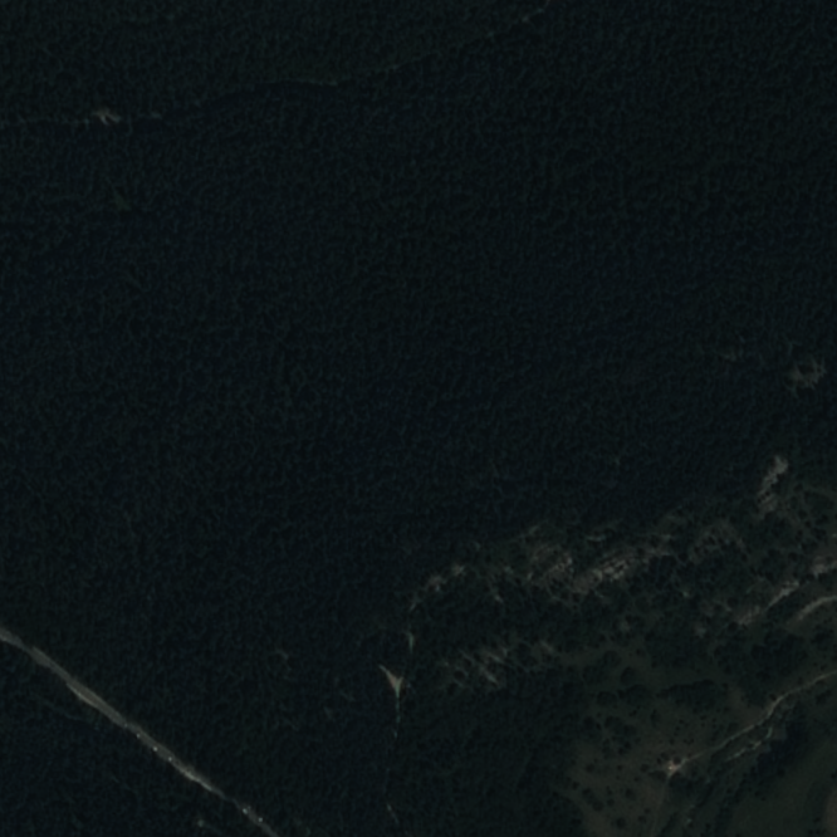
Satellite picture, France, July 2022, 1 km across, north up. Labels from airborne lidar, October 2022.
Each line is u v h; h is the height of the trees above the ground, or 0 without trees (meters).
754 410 17
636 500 19
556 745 7
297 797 16
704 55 19
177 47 15
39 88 20
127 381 25
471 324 23
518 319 20
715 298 18
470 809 7
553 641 7
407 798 9
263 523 7
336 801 23
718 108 18
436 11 9
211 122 23
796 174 18
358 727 18
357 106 11
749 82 17
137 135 16
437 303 24
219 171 26
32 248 35
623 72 16
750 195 26
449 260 11
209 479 10
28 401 26
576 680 6
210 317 18
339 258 18
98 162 26
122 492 20
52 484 14
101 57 19
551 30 18
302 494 17
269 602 18
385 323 23
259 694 18
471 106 23
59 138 30
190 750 11
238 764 18
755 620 0
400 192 22
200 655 22
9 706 26
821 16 18
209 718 19
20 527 20
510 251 16
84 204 27
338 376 8
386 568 21
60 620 15
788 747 14
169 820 25
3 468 26
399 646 16
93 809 16
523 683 13
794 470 13
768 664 14
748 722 0
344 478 26
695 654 7
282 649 13
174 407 23
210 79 25
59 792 24
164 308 28
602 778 0
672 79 13
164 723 22
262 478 26
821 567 0
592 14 14
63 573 19
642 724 0
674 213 27
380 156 21
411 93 18
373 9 13
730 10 23
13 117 28
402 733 8
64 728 26
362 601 23
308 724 12
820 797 0
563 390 17
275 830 19
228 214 29
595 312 29
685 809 0
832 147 18
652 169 21
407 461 20
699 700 7
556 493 16
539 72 17
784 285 10
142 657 17
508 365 24
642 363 14
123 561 25
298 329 29
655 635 8
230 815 26
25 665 32
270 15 16
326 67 17
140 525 20
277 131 18
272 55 14
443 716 13
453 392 27
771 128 18
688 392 17
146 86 28
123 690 15
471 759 8
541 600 9
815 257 13
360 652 19
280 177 10
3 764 22
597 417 13
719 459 17
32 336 23
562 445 18
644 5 22
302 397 27
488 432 23
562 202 23
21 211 27
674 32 20
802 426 22
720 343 15
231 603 14
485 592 7
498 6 20
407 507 15
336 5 21
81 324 19
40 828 11
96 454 12
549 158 21
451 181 23
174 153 15
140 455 8
